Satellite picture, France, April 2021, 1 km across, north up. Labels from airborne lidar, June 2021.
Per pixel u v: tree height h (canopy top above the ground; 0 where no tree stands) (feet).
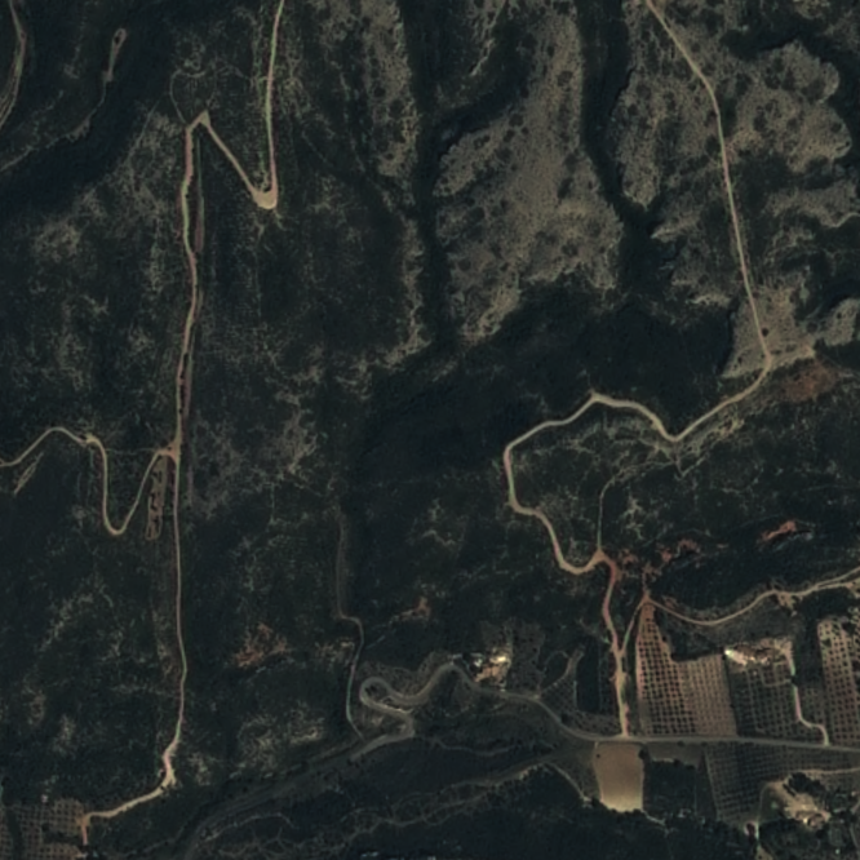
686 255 0
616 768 0
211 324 0
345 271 0
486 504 0
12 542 0
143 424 20
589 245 0
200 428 0
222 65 0
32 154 18
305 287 0
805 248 0
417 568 0
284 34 0
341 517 0
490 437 0
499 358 0
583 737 0
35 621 0
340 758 0
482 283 0
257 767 0
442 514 0
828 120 0
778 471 0
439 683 0
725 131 0
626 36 0
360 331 0
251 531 0
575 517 0
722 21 0
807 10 0
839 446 0
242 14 0
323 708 0
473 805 0
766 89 0
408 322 0
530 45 0
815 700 0
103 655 0
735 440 0
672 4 0
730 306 0
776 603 18
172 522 28
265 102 0
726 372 0
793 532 24
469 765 0
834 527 21
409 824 0
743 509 0
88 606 0
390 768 0
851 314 0
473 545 0
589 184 0
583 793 0
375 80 0
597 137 19
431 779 0
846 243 0
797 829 31
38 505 0
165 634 0
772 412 0
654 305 0
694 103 0
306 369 0
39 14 19
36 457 0
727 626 0
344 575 0
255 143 0
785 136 0
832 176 0
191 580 0
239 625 0
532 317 19
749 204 0
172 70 0
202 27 0
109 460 0
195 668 0
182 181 0
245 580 0
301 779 0
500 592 0
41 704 0
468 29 0
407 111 0
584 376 0
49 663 0
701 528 0
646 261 0
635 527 0
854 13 0
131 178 0
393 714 0
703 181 0
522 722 0
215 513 0
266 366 0
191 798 0
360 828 0
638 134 0
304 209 0
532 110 0
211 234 0
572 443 0
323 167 0
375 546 0
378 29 0
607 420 0
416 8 19
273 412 0
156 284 0
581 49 0
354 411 0
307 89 0
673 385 0
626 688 0
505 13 0
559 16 0
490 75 0
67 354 0
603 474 0
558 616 0
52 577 0
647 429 0
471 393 0
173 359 0
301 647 0
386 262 0
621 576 0
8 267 0
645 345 0
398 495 0
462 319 0
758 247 0
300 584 0
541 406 0
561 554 0
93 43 0
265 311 0
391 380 17
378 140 0
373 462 0
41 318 0
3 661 0
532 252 0
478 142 0
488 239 0
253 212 0
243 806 0
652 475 0
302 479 0
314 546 0
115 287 0
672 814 0
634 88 0
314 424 0
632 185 0
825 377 0
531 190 0
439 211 0
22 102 22
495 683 32
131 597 0
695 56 0
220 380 0
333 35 0
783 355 0
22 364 0
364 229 0
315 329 0
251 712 0
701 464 0
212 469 0
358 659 0
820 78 0
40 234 0
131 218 0
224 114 0
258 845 0
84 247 0
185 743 0
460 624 0
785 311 0
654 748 0
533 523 0
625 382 0
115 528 0
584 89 0
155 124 0
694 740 0
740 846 34
